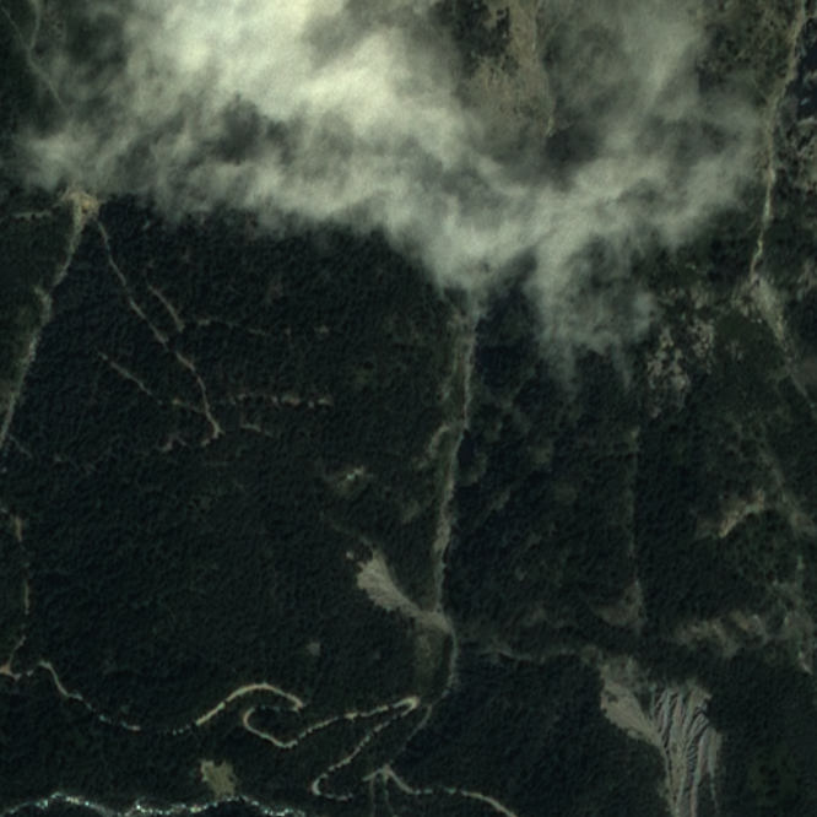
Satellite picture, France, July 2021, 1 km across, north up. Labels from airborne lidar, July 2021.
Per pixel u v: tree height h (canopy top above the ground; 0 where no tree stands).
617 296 8
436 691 7
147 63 8
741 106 0
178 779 17
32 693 15
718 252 22
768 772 10
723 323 0
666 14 11
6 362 16
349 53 18
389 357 8
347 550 13
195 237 12
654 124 7
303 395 18
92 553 17
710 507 12
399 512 7
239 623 7
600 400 14
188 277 7
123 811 6
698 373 11
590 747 16
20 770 21
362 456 9
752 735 12
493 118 0
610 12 7
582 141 8
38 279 8
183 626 9
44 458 16
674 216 13
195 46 6
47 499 14
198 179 17
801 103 0
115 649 16
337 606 8
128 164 9
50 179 6
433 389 12
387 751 16
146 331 17
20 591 7
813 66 0
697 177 14
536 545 11
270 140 20
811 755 7
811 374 0
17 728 17
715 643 6
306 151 20
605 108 13
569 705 14
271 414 7
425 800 11
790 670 9
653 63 7
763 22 0
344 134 30
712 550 6
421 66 12
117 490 18
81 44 7
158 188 19
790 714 10
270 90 22
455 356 9
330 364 19
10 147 15
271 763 18
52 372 8
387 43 0
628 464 15
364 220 12
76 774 18
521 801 11
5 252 13
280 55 10
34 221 8
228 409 11
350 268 14
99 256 14
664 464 15
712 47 11
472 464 9
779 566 7
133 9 8
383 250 14
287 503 15
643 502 22
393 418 9
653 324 13
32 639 16
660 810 7
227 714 20
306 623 18
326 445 16
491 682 8
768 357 7
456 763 15
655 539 25
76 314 8
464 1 7
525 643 17
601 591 10
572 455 7
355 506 13
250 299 15
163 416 10
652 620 19
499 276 10
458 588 12
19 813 7
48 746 13
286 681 9
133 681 22
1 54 13
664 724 0
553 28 0
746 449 14
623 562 16
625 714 0
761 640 7
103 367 10
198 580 9
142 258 23
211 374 10
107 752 24
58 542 19
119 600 18
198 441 13
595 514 17
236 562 18
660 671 13
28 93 7
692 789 0
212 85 24
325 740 14
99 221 9
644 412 9
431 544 8
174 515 14
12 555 22
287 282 13
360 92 23
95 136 6
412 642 9
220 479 8
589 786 11
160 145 8
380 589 0
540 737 7
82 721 18
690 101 0
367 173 13
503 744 16
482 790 9
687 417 6
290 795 16
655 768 7
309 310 19
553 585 16
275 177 23
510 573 11
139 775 20
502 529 8
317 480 9
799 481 10
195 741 18
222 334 11
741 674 17
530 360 14
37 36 0
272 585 12
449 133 9
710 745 0
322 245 8
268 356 7
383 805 13
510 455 18
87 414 16
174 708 21
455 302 7
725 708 16
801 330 7
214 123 9
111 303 19
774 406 9
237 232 8
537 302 12
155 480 15
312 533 14
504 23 10
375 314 13
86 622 8
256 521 11
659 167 12
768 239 0
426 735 10
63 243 8
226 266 16
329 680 17
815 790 6
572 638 7
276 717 23
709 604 15
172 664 19
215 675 25
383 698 16
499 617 10
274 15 9
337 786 11
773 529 18
